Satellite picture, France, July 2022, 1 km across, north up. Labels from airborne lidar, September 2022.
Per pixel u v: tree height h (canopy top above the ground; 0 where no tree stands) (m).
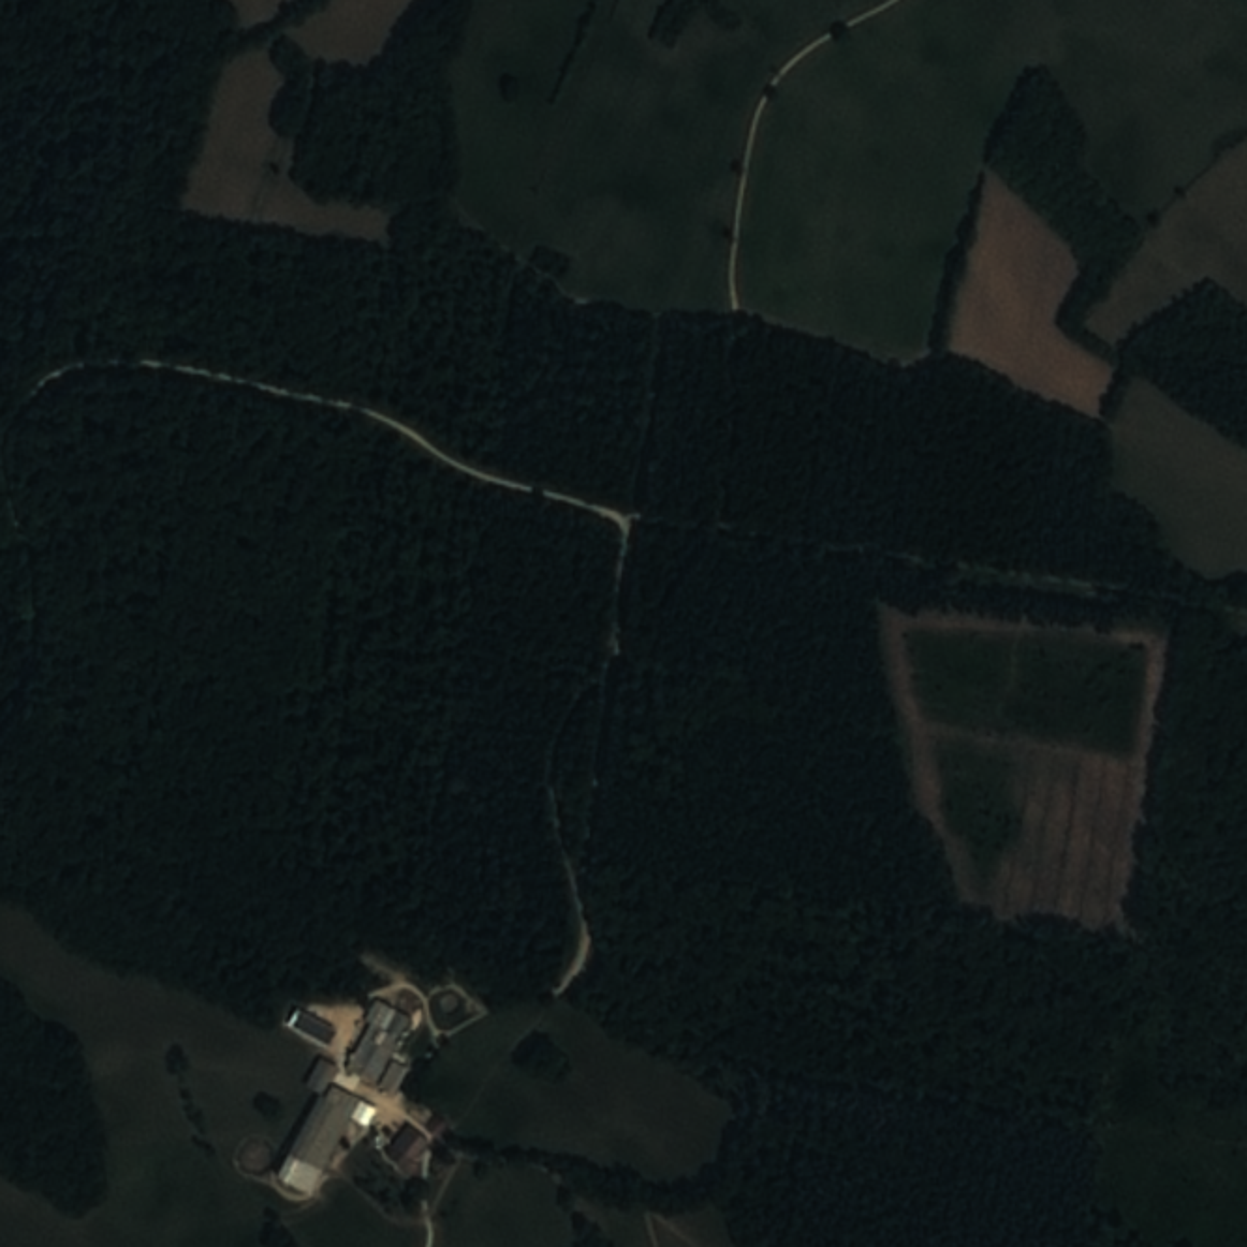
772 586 17
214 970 20
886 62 0
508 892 23
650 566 18
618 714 13
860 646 17
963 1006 22
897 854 16
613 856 17
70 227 25
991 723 0
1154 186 0
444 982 14
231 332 20
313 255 22
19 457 18
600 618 17
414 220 13
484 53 0
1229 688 21
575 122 0
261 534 19
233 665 19
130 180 10
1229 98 0
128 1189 0
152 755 21
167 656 21
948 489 21
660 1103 0
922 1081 16
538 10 0
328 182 9
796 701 15
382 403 16
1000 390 17
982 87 0
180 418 19
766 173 0
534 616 18
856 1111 23
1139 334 12
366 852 16
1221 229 0
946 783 0
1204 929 20
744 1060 6
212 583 22
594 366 17
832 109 0
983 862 0
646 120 0
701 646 20
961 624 0
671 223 0
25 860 19
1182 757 21
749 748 16
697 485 18
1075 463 16
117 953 16
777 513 18
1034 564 15
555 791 15
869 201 0
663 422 19
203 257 21
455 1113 0
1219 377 16
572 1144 0
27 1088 19
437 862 16
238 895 22
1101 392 0
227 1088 0
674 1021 16
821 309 0
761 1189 20
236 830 18
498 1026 0
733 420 14
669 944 21
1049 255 0
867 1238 21
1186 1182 0
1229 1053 20
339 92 18
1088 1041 20
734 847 17
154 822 22
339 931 24
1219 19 0
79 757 23
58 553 19
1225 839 18
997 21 0
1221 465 0
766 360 19
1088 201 11
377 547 18
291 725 25
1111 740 0
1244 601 17
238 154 0
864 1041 21
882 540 17
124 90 26
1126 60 0
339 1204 0
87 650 16
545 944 17
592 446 18
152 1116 0
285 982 22
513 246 0
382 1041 0
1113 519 17
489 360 10
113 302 18
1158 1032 15
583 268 0
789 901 20
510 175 0
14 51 25
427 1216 0
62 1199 17
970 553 16
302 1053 0
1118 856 0
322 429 22
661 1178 0
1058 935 23
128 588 16
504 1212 0
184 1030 0
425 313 20
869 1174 22
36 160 18
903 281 0
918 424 17
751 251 0
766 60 0
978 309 0
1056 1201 17
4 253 27
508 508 15
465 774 10
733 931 17
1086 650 0
